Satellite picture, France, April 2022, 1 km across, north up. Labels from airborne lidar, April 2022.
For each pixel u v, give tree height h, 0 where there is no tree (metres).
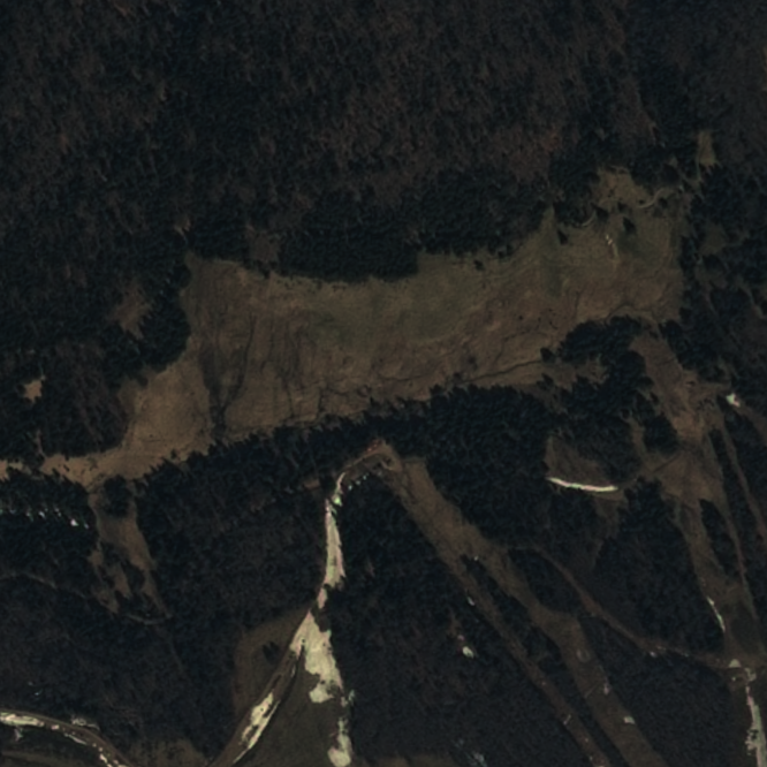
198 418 0
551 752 16
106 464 0
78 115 12
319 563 18
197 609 6
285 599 22
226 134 23
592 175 12
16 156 19
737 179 22
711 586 0
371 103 13
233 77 17
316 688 0
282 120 23
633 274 0
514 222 12
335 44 17
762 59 9
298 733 0
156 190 12
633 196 0
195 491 16
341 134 20
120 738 7
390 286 0
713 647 23
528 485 17
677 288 0
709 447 0
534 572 17
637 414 19
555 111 20
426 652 13
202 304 0
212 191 13
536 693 19
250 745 0
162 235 24
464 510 13
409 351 0
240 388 0
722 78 16
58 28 23
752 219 16
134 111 14
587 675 0
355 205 23
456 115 18
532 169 16
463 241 18
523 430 23
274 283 0
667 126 18
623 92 17
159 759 0
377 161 20
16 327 21
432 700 10
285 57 16
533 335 0
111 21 15
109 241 20
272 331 0
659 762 0
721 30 19
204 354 0
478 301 0
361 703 9
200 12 26
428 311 0
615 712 0
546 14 20
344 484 0
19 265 15
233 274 0
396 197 19
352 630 13
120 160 27
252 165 15
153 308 0
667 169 0
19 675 12
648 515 16
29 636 23
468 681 24
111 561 13
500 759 14
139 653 25
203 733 13
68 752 0
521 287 0
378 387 0
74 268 13
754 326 15
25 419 25
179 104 10
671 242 0
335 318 0
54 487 23
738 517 10
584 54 16
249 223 19
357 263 23
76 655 14
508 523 23
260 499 15
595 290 0
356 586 15
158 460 0
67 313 14
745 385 17
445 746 10
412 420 0
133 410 0
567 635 0
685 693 23
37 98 18
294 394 0
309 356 0
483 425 11
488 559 0
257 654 0
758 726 0
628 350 8
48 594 13
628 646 16
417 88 18
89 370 20
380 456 0
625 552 20
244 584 23
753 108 16
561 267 0
